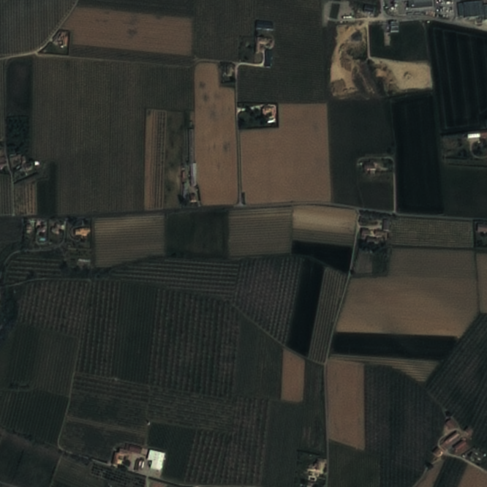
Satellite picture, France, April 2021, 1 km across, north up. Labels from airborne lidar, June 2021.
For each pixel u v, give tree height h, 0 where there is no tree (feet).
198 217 0
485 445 25
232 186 0
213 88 0
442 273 0
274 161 0
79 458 32
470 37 0
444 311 0
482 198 0
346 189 0
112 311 19
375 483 0
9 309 46
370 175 25
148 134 0
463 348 24
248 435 21
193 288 20
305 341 0
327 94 0
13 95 0
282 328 22
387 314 0
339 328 0
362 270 0
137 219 0
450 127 0
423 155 0
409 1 0
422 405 29
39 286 21
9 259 0
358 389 0
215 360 22
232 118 0
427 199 0
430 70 0
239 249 0
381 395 20
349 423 0
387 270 0
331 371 0
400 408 38
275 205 0
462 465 22
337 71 0
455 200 0
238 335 24
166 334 20
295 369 0
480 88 0
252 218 0
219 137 0
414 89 0
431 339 0
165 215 0
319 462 0
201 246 0
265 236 0
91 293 20
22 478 0
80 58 0
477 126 0
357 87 0
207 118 0
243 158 0
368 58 0
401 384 27
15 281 20
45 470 0
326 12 0
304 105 0
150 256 0
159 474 0
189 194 30
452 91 0
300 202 0
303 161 0
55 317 19
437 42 0
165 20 0
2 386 0
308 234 0
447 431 0
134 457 0
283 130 0
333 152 0
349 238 0
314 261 0
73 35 0
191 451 19
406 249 0
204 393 20
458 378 23
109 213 0
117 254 0
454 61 0
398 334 0
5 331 50
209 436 20
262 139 0
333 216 0
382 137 0
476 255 0
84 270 19
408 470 26
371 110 0
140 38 0
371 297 0
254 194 0
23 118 23
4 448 0
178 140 0
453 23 0
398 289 0
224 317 21
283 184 0
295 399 0
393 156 30
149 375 19
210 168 0
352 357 0
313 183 0
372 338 0
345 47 0
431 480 0
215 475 18
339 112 0
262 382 0
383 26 0
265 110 0
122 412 0
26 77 0
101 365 22
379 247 26
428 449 23
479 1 0
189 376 19
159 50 0
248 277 19
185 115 0
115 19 0
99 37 0
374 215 30
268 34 0
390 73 0
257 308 21
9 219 0
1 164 0
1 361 0
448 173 0
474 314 0
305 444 0
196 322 22
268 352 0
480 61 0
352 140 0
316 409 0
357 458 0
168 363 19
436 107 0
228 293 20
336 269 0
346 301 0
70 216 0
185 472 19
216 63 0
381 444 21
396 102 0
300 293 0
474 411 17
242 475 23
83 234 0
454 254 0
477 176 0
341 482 0
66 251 41
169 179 0
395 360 0
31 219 0
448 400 25
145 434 0
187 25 0
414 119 0
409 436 30
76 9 0
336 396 0
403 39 0
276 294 20
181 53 0
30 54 0
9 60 0
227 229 0
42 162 0
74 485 0
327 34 0
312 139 0
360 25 0
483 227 0
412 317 0
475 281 0
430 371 0
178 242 0
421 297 0
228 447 22
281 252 0
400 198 0
